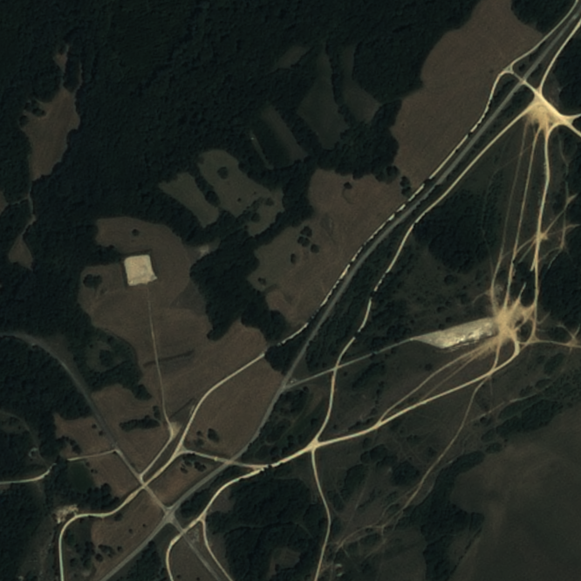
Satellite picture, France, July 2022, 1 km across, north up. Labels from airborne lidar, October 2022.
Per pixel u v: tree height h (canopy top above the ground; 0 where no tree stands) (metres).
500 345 0
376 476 0
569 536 0
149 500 0
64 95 0
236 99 19
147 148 19
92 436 0
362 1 23
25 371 9
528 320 0
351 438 0
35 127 0
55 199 23
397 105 8
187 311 0
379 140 12
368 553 0
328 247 0
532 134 0
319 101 0
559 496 0
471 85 0
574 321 8
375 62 18
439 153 0
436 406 0
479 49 0
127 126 18
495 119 0
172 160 25
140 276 0
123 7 12
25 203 7
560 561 0
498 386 0
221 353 0
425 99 0
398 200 0
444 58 0
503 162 0
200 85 19
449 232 16
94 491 14
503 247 0
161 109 17
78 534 0
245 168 17
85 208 20
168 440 0
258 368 0
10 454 25
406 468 7
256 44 20
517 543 0
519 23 0
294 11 24
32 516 12
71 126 0
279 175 16
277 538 19
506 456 0
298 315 0
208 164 0
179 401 0
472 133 8
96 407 0
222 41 22
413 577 0
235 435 0
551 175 0
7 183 7
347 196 0
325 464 0
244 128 12
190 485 0
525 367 0
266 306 6
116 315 0
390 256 8
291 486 8
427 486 0
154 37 7
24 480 0
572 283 19
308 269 0
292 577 15
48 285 21
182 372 0
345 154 7
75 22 12
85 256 13
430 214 7
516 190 0
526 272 8
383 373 10
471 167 0
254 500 15
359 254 6
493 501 0
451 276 6
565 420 0
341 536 0
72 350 6
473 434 0
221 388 0
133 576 10
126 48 6
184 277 0
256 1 25
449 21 16
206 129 20
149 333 0
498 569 0
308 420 0
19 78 14
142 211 14
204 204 0
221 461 0
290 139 0
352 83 0
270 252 0
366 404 0
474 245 13
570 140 12
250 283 7
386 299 7
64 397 6
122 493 0
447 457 0
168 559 0
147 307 0
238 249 14
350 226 0
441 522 10
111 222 0
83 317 7
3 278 20
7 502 23
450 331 0
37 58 19
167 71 21
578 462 0
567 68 15
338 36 15
